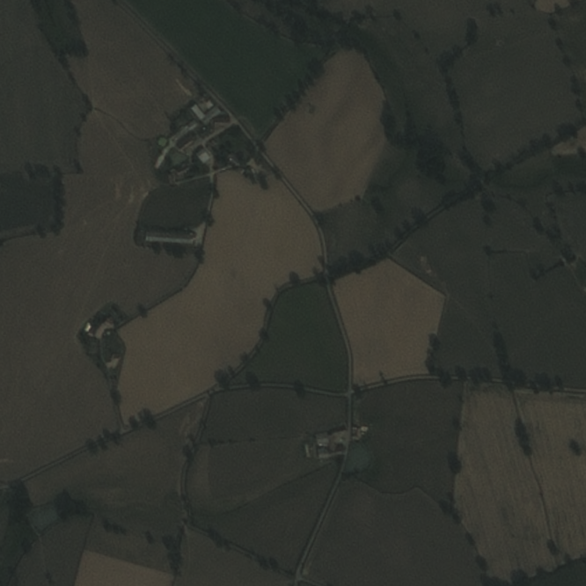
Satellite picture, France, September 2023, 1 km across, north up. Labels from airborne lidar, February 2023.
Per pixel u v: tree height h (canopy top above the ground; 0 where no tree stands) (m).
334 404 0
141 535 0
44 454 0
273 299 0
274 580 0
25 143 0
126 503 0
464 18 0
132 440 0
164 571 0
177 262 0
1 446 0
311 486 0
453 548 0
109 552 0
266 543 0
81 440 0
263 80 0
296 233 0
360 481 0
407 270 0
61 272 0
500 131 0
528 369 0
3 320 0
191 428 0
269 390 0
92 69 0
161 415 0
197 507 0
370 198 0
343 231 0
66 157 0
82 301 0
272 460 0
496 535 0
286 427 0
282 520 0
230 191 0
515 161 17
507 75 0
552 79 0
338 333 0
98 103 0
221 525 0
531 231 0
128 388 0
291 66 0
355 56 0
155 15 0
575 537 0
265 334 14
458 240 0
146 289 0
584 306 0
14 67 0
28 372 0
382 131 0
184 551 0
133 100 0
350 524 0
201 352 0
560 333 0
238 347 0
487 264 0
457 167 0
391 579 0
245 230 0
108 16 0
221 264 0
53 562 0
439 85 0
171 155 0
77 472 0
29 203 0
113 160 0
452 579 0
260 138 0
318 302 0
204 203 0
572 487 0
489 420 0
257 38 0
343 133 0
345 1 0
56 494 0
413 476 0
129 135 0
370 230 0
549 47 0
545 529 0
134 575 0
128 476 0
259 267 0
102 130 0
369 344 0
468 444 0
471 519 0
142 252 0
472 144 0
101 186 0
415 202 0
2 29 0
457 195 14
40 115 0
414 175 0
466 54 0
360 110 0
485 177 7
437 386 0
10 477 0
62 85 0
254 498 0
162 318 0
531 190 0
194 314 0
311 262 0
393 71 0
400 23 0
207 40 0
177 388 0
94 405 0
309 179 0
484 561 12
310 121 0
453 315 0
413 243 0
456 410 0
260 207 0
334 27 0
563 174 0
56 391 0
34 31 0
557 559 0
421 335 0
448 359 0
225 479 0
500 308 0
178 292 0
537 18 0
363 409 0
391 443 0
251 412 0
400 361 0
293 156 0
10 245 0
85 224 0
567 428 0
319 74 10
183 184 0
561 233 15
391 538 0
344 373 0
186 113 0
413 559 0
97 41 0
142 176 0
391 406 0
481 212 0
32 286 0
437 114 0
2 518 0
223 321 0
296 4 13
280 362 0
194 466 0
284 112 11
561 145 0
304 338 0
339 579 0
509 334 0
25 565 0
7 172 0
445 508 15
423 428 0
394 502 0
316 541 0
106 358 0
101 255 0
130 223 0
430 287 0
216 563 0
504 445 0
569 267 0
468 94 0
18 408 0
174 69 0
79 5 0
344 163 0
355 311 0
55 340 0
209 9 0
